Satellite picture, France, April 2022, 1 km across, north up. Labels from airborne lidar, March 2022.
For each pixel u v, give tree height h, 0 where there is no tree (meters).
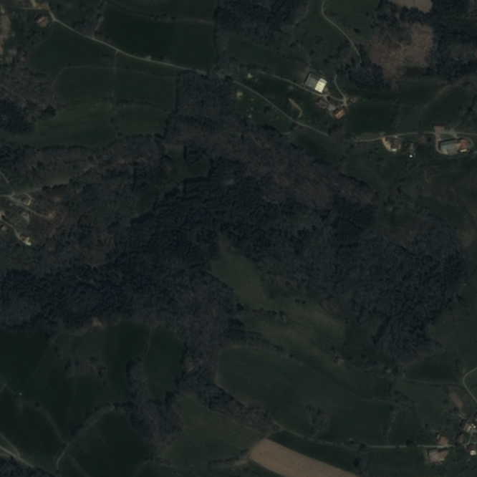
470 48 30
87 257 6
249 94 0
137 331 0
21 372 0
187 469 0
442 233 14
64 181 0
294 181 29
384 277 23
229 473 0
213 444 0
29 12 0
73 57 0
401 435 0
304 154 27
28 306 22
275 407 0
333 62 16
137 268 17
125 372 0
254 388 0
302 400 0
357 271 25
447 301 20
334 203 24
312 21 0
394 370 0
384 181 0
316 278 18
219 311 30
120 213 8
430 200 0
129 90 0
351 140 23
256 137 28
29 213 0
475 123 8
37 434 0
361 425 0
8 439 0
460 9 29
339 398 0
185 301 24
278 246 23
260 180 28
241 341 23
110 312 31
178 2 0
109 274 18
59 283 25
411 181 0
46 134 0
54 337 16
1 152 23
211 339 26
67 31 0
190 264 24
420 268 24
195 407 0
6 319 10
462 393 0
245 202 28
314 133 0
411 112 0
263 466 0
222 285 21
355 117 0
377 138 0
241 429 0
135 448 0
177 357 0
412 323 26
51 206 22
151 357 0
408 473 0
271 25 29
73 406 0
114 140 0
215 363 24
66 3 0
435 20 28
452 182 0
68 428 0
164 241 22
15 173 14
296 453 0
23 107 16
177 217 25
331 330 0
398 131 8
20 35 0
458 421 0
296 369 0
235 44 0
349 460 0
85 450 19
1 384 0
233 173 30
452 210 0
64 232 9
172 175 0
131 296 33
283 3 20
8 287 29
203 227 37
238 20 29
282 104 0
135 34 0
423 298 22
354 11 0
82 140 0
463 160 0
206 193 31
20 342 0
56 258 23
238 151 27
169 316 29
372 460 0
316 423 16
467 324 0
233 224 19
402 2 0
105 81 0
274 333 0
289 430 0
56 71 0
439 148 0
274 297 0
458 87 0
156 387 0
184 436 0
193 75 20
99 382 0
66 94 0
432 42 0
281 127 0
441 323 0
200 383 20
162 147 33
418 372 0
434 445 0
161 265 18
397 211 18
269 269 18
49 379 0
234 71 20
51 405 0
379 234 10
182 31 0
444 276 24
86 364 0
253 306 0
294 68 0
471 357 0
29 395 0
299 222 13
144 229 33
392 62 0
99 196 22
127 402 0
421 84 0
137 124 0
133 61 0
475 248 0
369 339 0
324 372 0
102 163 28
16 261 19
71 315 24
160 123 0
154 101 0
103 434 0
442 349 20
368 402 0
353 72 19
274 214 29
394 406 0
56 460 0
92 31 23
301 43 11
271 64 0
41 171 19
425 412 0
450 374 0
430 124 0
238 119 28
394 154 0
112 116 0
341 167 8
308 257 25
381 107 0
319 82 0
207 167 0
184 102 24
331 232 26
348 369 0
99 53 0
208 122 25
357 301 15
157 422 27
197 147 27
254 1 24
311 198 34
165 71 0
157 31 0
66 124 0
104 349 0
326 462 0
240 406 10
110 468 0
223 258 0
